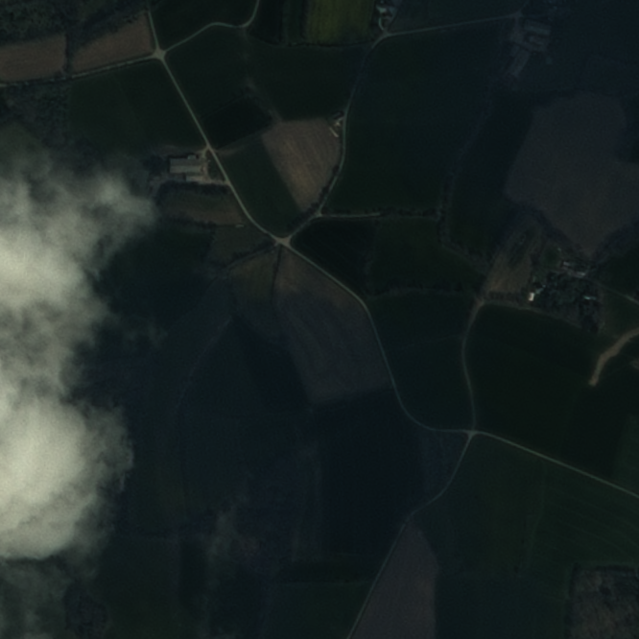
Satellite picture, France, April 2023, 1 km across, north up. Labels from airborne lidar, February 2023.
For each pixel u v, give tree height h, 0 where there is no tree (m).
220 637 12
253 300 0
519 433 0
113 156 0
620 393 0
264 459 0
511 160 0
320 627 0
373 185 0
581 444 0
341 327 0
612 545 0
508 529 0
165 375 0
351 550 0
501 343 0
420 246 0
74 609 18
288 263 0
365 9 0
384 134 0
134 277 0
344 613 0
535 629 0
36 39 19
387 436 0
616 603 24
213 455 0
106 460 14
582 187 0
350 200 0
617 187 0
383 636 0
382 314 0
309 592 0
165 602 0
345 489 0
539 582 0
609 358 0
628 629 20
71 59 16
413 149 0
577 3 0
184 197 0
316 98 0
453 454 0
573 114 0
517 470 0
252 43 0
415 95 0
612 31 0
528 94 0
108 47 0
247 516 19
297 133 0
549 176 0
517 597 0
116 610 0
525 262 0
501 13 0
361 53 0
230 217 0
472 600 0
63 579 15
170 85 0
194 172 0
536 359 0
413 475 0
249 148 0
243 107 0
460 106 0
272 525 21
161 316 0
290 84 0
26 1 10
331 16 0
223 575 0
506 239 17
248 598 0
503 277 0
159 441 0
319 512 0
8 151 0
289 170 0
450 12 0
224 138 0
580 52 0
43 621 0
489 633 0
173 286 0
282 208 0
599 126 0
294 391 0
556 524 0
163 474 0
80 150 16
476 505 0
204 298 8
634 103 0
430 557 0
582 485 0
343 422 0
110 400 9
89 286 0
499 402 0
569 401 0
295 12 0
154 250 0
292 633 0
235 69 0
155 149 0
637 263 0
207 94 0
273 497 17
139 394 13
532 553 0
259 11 0
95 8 0
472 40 0
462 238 0
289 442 0
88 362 13
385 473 0
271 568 17
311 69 0
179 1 0
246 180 0
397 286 15
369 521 0
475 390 0
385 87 0
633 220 0
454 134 0
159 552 0
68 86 10
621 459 0
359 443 0
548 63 0
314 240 0
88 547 0
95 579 0
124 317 0
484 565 0
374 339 0
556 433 0
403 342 0
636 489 0
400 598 0
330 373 0
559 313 16
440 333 0
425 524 0
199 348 0
